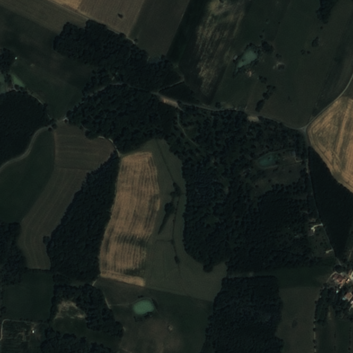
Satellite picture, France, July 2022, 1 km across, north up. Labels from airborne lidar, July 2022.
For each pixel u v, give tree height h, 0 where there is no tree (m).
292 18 0
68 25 12
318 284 0
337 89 0
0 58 19
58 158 0
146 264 0
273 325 25
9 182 0
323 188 14
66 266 14
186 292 0
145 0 0
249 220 18
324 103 0
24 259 15
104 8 0
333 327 0
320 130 0
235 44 0
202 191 26
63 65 0
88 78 0
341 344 0
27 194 0
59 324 0
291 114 0
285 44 0
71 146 0
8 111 16
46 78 0
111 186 22
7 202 0
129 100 26
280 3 0
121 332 17
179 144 28
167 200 0
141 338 0
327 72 0
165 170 0
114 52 18
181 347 0
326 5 24
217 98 0
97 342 0
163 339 0
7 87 0
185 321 0
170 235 0
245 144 22
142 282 0
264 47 14
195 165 8
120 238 0
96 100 28
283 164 0
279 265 19
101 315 8
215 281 0
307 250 8
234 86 0
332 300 10
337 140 0
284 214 16
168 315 0
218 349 13
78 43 22
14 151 15
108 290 0
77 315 0
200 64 0
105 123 27
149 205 0
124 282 0
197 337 0
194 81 0
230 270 10
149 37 0
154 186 0
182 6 0
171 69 15
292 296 0
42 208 0
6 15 0
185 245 15
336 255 13
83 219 21
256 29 0
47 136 0
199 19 0
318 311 11
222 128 23
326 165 10
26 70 0
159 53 0
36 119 15
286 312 0
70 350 28
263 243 18
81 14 0
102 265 0
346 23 0
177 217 0
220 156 26
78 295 25
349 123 0
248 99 0
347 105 0
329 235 11
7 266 24
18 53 0
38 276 0
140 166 0
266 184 0
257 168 0
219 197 19
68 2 0
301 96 0
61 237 25
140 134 24
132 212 0
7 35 0
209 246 25
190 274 0
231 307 18
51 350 28
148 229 0
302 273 0
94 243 26
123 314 0
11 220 0
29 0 0
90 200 24
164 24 0
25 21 0
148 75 29
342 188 12
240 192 16
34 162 0
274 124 11
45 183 0
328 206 12
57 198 0
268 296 13
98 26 17
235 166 22
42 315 0
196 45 0
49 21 0
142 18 0
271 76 0
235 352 15
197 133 0
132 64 22
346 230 12
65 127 0
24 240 0
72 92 0
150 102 23
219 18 0
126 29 0
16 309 0
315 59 0
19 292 0
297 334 0
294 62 0
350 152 0
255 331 15
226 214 19
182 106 20
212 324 16
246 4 0
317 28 0
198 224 24
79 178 0
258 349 14
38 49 0
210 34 0
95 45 24
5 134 16
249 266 23
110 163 20
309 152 11
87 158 0
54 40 0
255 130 26
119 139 21
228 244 26
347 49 0
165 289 0
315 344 6
